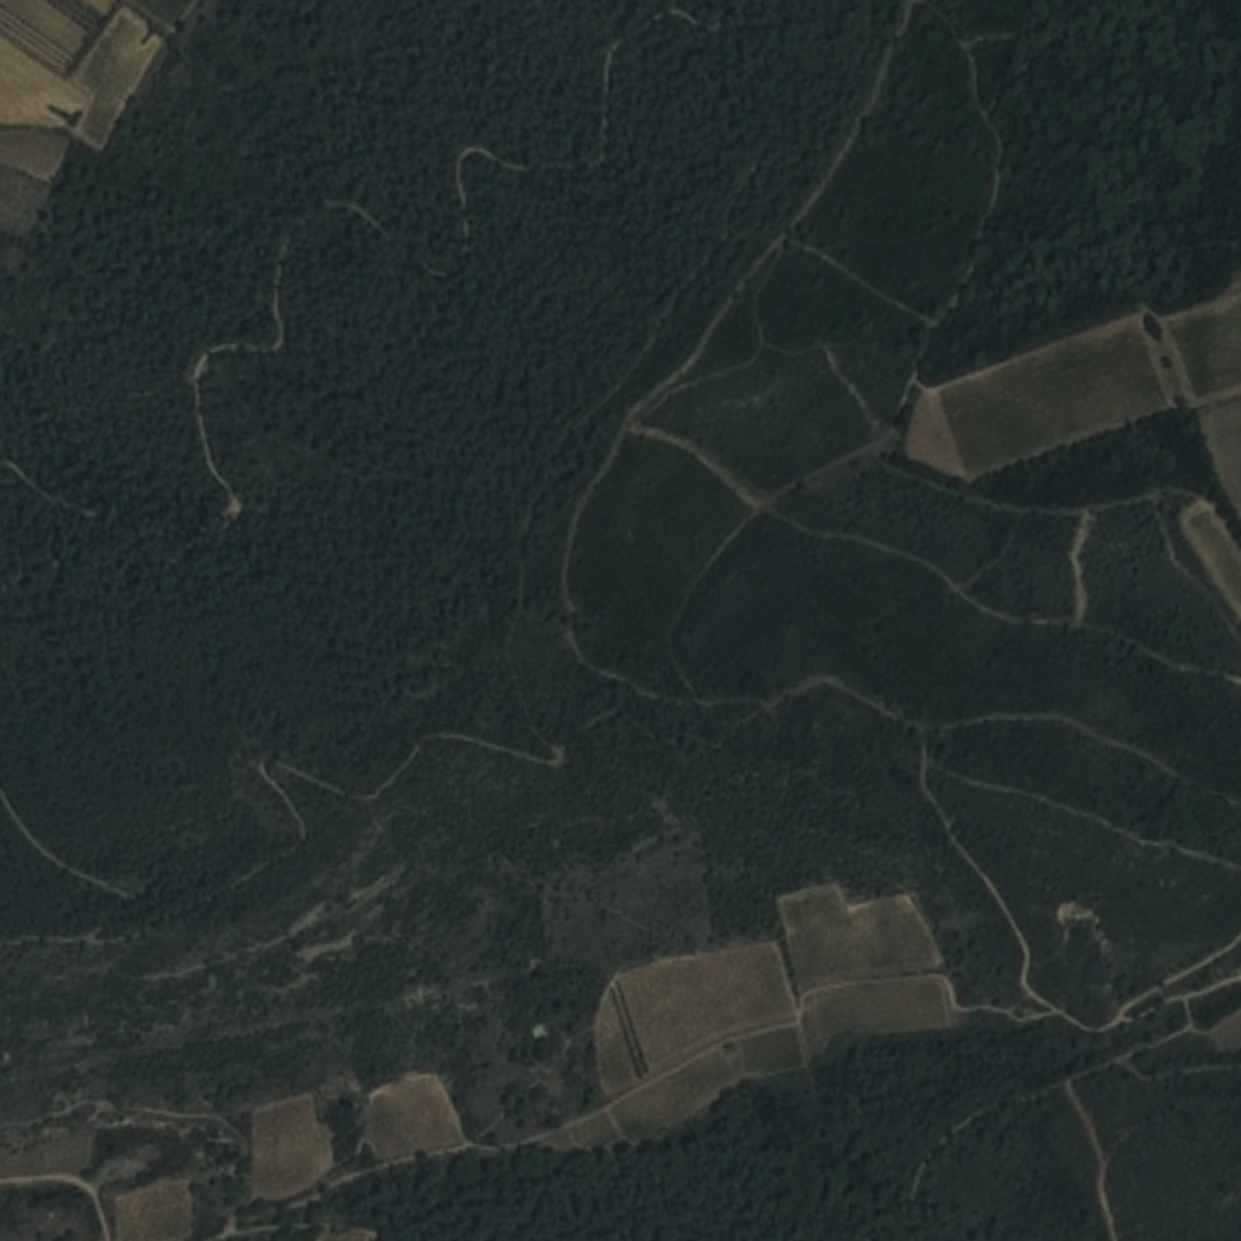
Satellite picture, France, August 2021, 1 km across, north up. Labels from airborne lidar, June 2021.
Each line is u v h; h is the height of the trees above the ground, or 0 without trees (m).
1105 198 14
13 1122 0
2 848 10
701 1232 11
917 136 12
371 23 11
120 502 10
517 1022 9
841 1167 14
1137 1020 10
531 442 8
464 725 6
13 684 7
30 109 0
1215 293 11
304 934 6
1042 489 6
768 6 6
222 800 8
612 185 11
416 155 8
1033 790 0
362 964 7
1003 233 15
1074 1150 0
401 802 0
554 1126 9
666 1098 0
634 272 8
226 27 10
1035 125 12
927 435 0
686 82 10
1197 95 10
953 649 0
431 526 7
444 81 9
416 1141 0
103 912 10
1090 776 0
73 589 14
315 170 9
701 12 12
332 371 12
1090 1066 10
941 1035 6
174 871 9
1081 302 11
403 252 16
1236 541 7
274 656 11
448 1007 6
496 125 13
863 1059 8
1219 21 7
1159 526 7
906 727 8
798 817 7
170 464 10
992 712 0
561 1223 10
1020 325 9
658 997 0
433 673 11
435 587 11
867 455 0
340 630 11
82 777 9
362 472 9
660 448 0
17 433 14
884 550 0
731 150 9
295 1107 0
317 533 8
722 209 7
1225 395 0
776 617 0
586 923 0
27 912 12
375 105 15
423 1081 0
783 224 12
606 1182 13
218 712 11
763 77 9
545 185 9
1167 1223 0
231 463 10
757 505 0
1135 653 7
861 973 0
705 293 11
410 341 10
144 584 12
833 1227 6
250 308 9
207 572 13
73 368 9
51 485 15
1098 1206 0
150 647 14
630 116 8
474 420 9
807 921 0
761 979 0
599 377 8
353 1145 7
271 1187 0
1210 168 8
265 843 11
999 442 0
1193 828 9
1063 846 0
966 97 6
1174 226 9
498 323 12
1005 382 0
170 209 11
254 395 9
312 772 8
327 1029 8
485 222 8
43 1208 8
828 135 8
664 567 0
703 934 0
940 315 17
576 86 9
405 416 10
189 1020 0
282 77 9
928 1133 7
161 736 11
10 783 11
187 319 10
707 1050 0
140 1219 0
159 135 6
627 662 10
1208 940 0
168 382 8
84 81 0
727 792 8
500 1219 15
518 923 8
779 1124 11
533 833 6
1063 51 16
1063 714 0
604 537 0
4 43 0
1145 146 16
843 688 0
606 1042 0
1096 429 0
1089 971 0
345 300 10
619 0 12
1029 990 0
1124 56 13
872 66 8
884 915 0
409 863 7
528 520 8
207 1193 9
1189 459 7
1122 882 0
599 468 9
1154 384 0
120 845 10
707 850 7
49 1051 0
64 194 10
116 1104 8
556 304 11
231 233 9
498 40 10
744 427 0
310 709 8
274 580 12
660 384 0
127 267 11
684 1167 10
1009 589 0
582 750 8
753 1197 13
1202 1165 0
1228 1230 0
